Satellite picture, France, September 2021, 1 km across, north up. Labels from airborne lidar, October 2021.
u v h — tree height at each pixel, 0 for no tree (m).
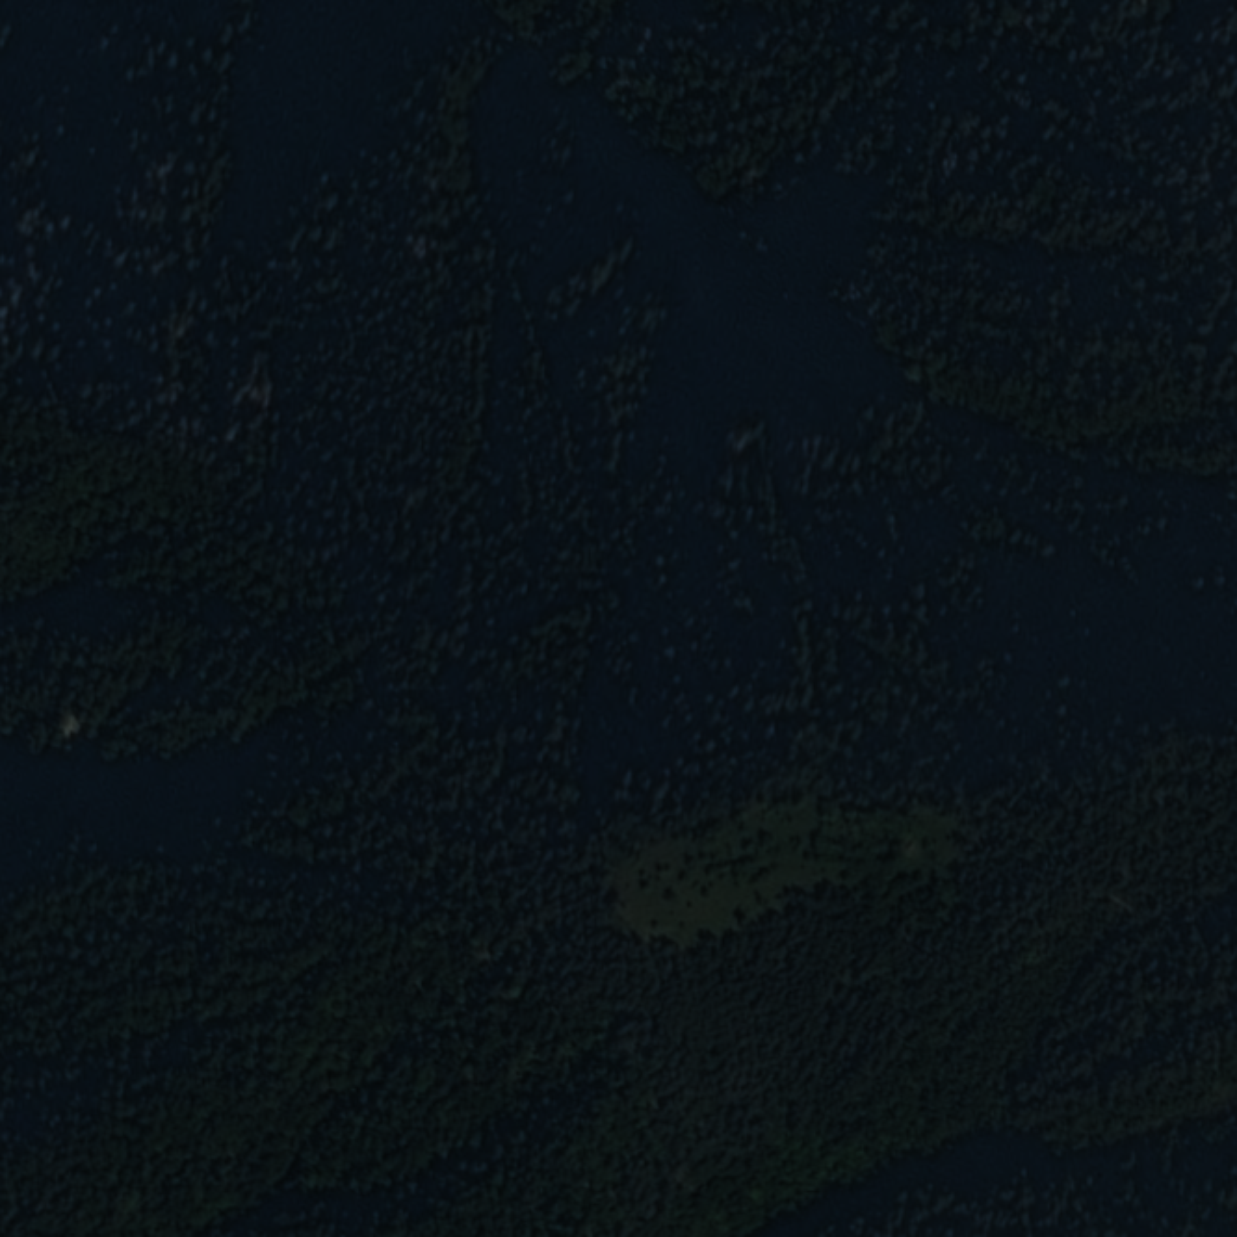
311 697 25
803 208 18
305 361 32
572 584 19
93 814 28
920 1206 31
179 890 20
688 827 13
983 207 38
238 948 22
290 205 29
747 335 9
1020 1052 15
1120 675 7
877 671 11
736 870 10
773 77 29
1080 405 9
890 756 8
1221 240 24
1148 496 7
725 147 50
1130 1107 14
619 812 10
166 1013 28
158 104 24
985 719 11
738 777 8
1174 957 22
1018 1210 32
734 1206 17
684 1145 27
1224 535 10
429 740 16
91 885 26
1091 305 15
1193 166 24
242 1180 27
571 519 28
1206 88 17
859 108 30
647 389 27
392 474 21
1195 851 12
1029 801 11
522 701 15
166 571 29
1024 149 19
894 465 17
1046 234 32
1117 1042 25
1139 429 11
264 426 20
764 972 18
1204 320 14
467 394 20
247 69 31
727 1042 23
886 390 7
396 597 25
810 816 0
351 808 23
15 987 36
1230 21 17
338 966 18
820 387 7
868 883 16
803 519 17
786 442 31
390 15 26
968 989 16
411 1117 27
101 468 24
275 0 33
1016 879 16
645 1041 20
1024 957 13
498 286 25
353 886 23
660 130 27
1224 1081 7
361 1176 30
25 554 22
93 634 29
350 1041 15
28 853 31
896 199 22
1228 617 8
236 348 25
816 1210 10
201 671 23
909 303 22
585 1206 14
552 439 18
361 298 26
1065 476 10
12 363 31
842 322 28
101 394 38
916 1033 16
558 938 10
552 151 25
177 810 23
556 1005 17
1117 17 21
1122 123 23
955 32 24
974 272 29
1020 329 15
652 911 0
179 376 23
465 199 24
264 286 26
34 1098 27
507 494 18
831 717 10
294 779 23
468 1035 17
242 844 27
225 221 18
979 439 11
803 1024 24
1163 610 10
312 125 18
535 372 24
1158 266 8
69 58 15
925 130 32
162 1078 30
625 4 30
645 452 36
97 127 23
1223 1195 18
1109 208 20
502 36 16
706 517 32
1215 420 9
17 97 19
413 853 8
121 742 28
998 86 19
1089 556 12
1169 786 14
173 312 19
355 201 27
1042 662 8
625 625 16
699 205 27
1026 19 33
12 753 30
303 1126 29
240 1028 26
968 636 8
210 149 27
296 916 20
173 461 32
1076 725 12
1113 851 14
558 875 22
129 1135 21
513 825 23
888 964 13
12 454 23
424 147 32
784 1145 14
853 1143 16
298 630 28
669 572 18
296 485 28
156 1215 32
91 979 24
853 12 21
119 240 27
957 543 10
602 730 15
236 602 27
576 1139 15
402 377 31
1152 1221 9
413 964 23
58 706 29
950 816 6
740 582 8
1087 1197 8
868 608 28
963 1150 8
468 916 8
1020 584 8
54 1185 25
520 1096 12
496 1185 20
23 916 25
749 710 22
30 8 22
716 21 29
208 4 11
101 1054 28
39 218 23
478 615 16
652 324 34
